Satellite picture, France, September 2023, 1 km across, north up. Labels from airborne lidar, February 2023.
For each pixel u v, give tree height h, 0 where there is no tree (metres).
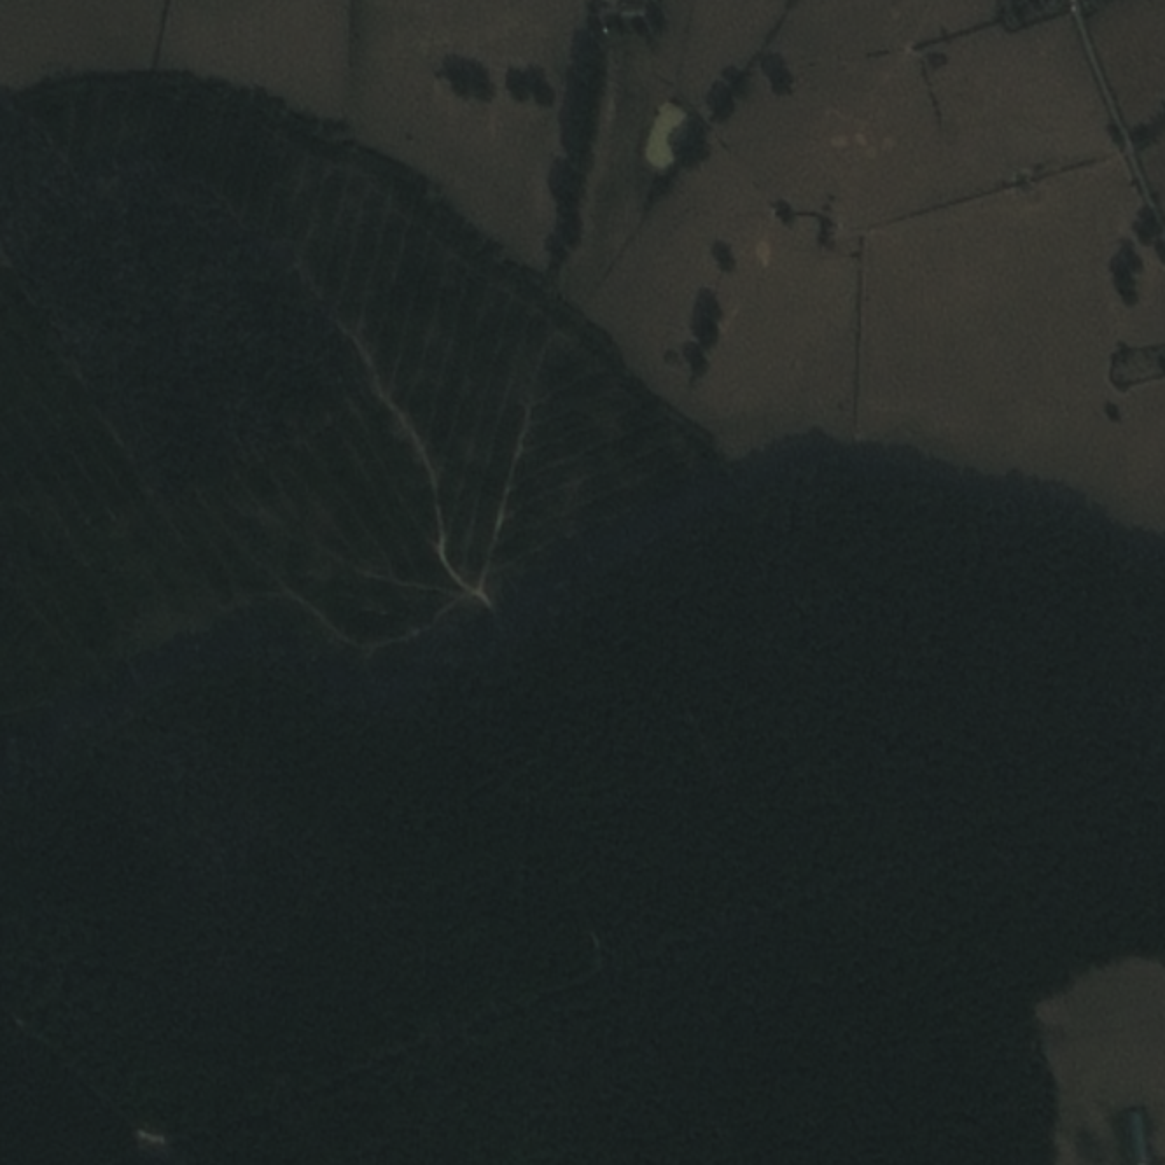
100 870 31
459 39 0
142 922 33
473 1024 25
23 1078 25
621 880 27
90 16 0
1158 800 32
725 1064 34
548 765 25
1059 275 0
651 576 32
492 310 0
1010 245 0
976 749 35
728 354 0
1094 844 34
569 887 26
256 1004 29
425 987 23
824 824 31
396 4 0
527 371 0
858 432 0
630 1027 28
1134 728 32
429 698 31
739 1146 32
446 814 26
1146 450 0
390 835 28
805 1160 34
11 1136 22
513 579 0
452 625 0
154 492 30
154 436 27
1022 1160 30
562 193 21
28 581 0
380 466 0
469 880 24
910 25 0
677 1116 32
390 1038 23
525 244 0
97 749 31
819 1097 33
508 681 30
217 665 30
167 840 24
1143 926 29
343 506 0
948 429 0
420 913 30
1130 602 32
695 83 0
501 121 0
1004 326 0
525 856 26
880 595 33
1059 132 0
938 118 0
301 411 27
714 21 0
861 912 31
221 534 0
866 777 33
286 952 28
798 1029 33
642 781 22
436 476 0
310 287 24
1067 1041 0
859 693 34
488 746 26
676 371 0
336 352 25
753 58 0
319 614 0
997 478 0
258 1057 31
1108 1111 0
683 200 0
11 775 31
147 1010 36
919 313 0
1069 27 0
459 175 0
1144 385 0
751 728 25
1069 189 0
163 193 26
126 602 0
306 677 30
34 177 20
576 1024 24
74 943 30
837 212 0
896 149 0
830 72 0
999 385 0
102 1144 23
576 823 23
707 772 23
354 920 23
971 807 37
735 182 0
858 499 33
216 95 8
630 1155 30
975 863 33
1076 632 31
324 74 0
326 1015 26
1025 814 37
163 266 23
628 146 0
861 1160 32
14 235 24
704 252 0
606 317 0
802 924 32
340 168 0
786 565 32
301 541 0
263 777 23
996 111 0
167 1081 31
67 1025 29
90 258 27
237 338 21
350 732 32
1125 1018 0
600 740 23
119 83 7
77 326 25
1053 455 0
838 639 35
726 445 0
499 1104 21
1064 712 33
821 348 0
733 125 0
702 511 33
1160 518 0
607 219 0
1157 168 0
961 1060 29
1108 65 0
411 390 0
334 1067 21
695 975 28
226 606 0
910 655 33
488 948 23
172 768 23
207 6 0
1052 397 0
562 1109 27
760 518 28
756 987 33
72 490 0
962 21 0
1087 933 30
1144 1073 0
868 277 0
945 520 29
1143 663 30
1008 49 0
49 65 0
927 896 30
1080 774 31
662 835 27
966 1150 29
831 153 0
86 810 27
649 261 0
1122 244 0
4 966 20
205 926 28
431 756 29
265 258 28
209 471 30
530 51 0
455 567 0
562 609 31
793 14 0
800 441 0
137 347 27
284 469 0
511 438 0
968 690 37
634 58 0
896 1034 28
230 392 28
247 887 24
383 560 0
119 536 0
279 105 9
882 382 0
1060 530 32
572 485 0
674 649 29
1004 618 33
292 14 0
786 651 31
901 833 33
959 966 29
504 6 0
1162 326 0
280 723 30
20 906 27
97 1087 21
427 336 0
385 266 0
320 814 27
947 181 0
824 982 31
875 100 0
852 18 0
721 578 30
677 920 27
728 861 24
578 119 20
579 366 0
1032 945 31
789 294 0
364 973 22
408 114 0
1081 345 0
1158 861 30
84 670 0
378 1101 24
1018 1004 30
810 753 28
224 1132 27
